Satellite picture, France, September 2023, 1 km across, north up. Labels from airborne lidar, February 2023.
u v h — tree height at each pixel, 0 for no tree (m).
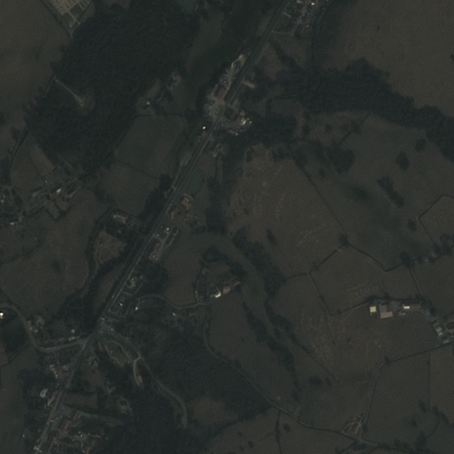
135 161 0
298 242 0
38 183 0
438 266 0
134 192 0
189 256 0
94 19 10
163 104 0
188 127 0
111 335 0
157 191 10
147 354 15
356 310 0
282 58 23
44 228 0
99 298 0
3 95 0
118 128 16
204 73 0
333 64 0
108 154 20
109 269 11
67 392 7
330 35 0
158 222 0
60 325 0
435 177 0
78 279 0
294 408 0
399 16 0
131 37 12
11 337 0
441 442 0
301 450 0
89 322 11
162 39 11
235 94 0
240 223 0
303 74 19
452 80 0
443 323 0
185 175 0
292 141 17
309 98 21
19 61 0
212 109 0
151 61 12
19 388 0
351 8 0
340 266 0
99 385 0
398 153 0
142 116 0
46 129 16
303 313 0
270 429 0
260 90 18
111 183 0
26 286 0
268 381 0
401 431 0
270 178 0
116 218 0
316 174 0
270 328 0
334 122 0
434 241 0
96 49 12
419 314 0
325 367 0
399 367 0
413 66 0
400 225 0
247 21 0
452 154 18
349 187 0
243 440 0
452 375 0
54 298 0
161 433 17
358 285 0
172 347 7
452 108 0
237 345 0
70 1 0
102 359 8
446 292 0
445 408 0
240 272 17
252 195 0
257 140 9
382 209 0
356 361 0
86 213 0
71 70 9
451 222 0
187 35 12
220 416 0
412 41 0
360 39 0
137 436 30
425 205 0
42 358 14
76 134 7
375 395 0
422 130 0
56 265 17
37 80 0
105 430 16
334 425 0
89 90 0
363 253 0
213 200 10
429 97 0
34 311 0
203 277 0
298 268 0
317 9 0
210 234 0
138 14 12
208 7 0
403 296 0
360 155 0
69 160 7
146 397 13
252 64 0
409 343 0
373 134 0
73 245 0
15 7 0
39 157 0
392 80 0
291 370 15
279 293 0
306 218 0
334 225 0
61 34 0
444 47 0
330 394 0
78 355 0
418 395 0
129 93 12
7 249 0
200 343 11
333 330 0
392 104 20
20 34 0
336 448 0
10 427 0
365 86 29
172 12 11
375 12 0
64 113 17
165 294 0
